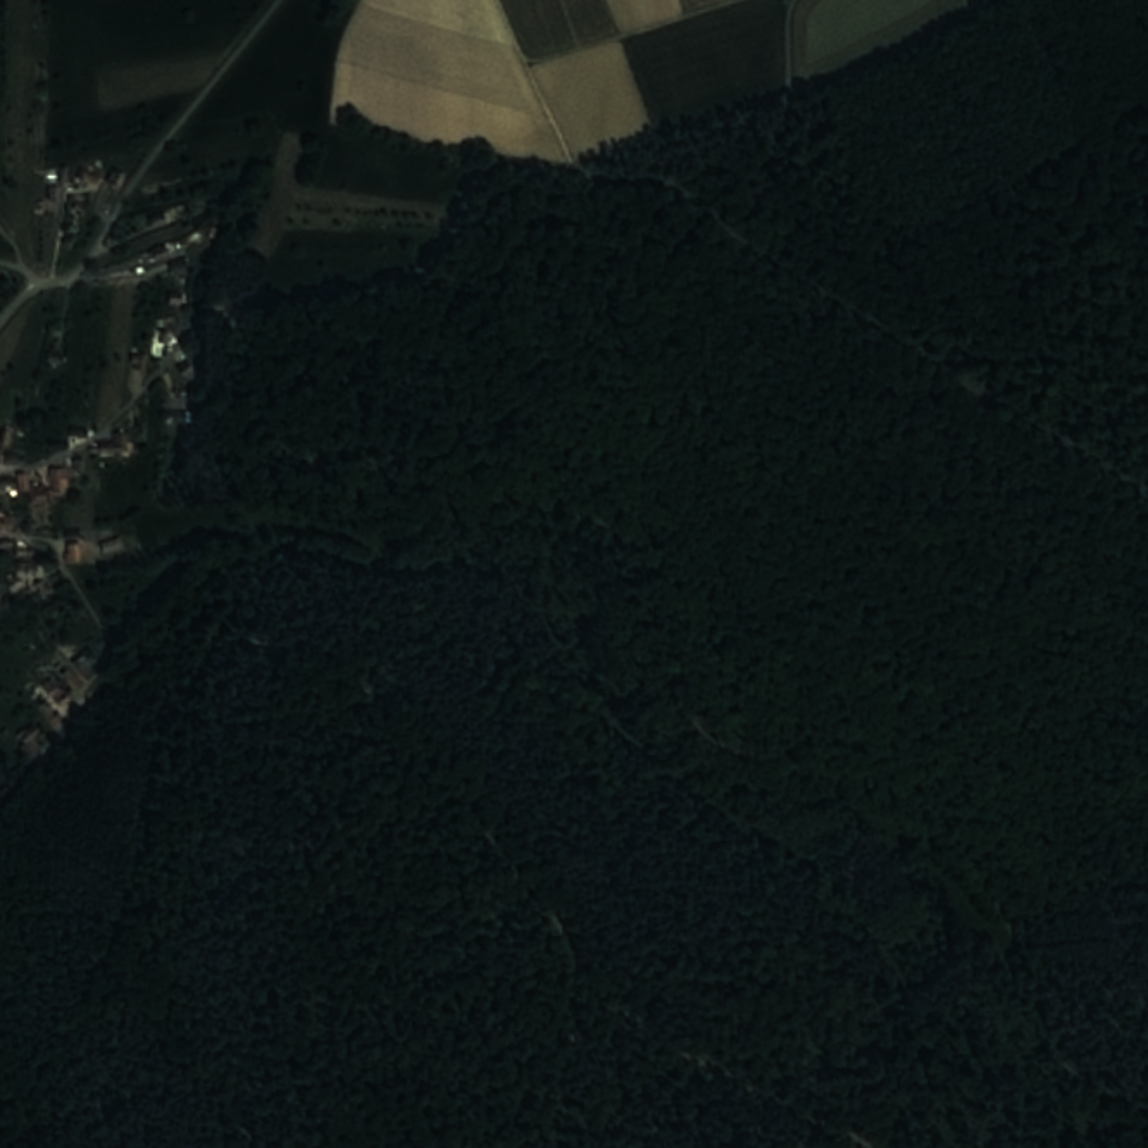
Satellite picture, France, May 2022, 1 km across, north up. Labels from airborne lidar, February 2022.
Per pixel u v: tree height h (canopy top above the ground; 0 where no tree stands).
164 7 0
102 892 17
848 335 30
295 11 0
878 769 29
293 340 29
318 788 33
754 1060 32
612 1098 28
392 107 0
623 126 0
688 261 29
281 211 0
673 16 0
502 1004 31
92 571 0
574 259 29
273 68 0
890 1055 33
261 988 30
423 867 24
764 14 0
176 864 24
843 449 26
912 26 0
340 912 30
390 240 0
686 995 35
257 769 27
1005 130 25
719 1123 29
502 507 32
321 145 13
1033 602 25
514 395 33
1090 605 29
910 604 32
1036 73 23
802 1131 22
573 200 27
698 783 28
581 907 31
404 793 30
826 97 22
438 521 32
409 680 32
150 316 0
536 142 0
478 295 34
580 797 29
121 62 0
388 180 0
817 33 0
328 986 30
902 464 27
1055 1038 23
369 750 30
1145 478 10
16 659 0
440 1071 31
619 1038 29
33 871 14
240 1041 29
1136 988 18
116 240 8
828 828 16
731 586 27
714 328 26
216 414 29
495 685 30
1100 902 18
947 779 29
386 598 32
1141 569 26
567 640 30
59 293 0
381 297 25
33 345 0
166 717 11
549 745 33
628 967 27
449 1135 29
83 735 16
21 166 0
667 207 29
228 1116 28
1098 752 30
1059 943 19
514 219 27
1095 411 9
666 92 0
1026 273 16
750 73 0
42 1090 14
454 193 0
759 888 35
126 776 14
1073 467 28
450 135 0
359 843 31
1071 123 27
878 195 24
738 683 30
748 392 24
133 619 16
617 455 30
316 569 29
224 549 26
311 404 32
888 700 27
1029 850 30
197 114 0
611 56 0
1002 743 29
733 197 23
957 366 28
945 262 31
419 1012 30
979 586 28
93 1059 24
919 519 30
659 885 33
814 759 30
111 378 0
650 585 28
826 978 34
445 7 0
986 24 23
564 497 26
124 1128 20
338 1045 28
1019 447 24
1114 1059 28
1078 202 35
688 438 27
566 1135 27
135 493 0
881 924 23
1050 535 26
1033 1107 24
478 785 27
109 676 16
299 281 0
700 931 33
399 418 31
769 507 27
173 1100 26
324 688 29
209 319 24
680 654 30
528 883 21
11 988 17
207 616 18
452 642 31
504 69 0
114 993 24
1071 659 26
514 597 34
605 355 30
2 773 18
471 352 36
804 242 26
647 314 29
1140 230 19
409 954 30
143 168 0
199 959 23
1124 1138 23
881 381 28
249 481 27
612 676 30
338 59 0
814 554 28
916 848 20
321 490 29
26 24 0
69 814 17
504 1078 28
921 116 25
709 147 27
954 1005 25
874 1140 30
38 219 0
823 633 32
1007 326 28
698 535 29
